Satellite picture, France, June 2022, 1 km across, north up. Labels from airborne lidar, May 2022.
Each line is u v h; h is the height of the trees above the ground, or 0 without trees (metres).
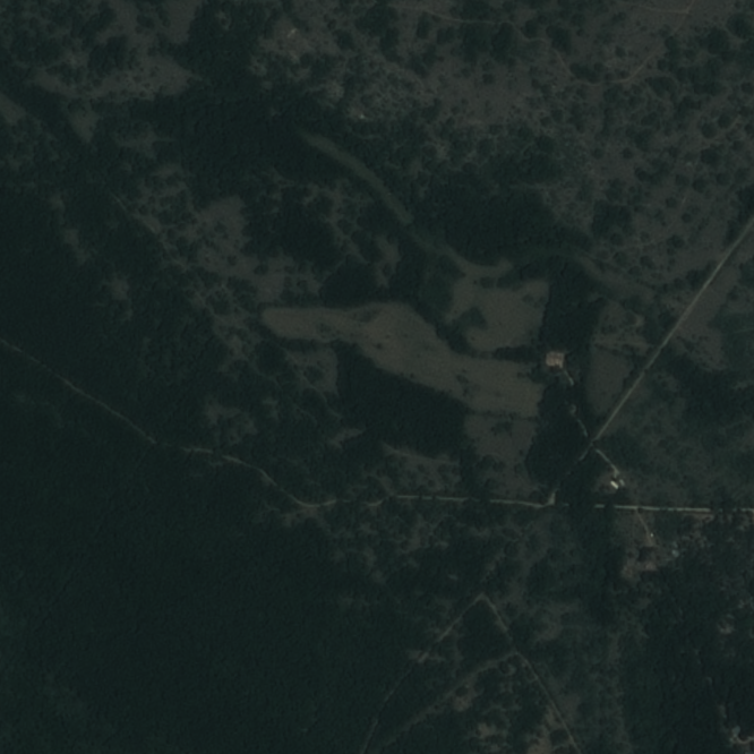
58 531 9
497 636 8
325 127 17
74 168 10
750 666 6
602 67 5
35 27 7
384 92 0
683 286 7
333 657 8
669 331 9
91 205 8
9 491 8
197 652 12
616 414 0
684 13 0
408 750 9
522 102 0
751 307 0
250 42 11
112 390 11
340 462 9
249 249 10
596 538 13
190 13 0
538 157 7
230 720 14
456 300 0
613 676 6
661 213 6
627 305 9
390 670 9
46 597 7
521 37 0
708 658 13
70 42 7
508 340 0
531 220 14
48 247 10
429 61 10
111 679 15
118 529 11
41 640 11
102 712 11
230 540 6
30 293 11
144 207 9
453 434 10
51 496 7
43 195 7
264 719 12
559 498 11
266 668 13
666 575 10
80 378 10
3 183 7
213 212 0
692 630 8
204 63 8
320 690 10
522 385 0
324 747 10
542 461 13
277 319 0
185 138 12
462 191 10
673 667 10
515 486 0
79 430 8
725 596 9
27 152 8
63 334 12
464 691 8
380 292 10
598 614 13
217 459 6
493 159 8
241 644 12
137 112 12
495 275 0
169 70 0
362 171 0
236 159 11
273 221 7
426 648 10
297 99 10
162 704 12
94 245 9
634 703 8
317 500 6
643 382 0
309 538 7
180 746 14
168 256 8
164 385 10
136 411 10
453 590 9
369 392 14
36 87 10
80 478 6
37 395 9
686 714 11
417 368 0
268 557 14
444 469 5
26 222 9
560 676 6
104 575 10
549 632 0
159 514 11
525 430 0
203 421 6
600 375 0
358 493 6
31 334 12
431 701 8
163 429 8
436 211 9
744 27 13
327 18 6
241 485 12
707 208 0
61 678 12
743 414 9
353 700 10
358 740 10
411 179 6
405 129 9
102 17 10
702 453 0
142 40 0
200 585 7
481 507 7
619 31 0
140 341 10
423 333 0
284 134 15
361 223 9
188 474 7
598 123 0
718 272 0
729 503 10
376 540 8
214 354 9
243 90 14
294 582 9
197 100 6
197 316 8
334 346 10
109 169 6
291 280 5
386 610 7
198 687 12
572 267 11
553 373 6
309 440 9
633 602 8
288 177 11
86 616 14
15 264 9
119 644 15
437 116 7
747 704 12
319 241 8
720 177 9
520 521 7
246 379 10
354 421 9
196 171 10
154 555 10
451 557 7
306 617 10
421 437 10
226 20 6
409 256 12
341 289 10
